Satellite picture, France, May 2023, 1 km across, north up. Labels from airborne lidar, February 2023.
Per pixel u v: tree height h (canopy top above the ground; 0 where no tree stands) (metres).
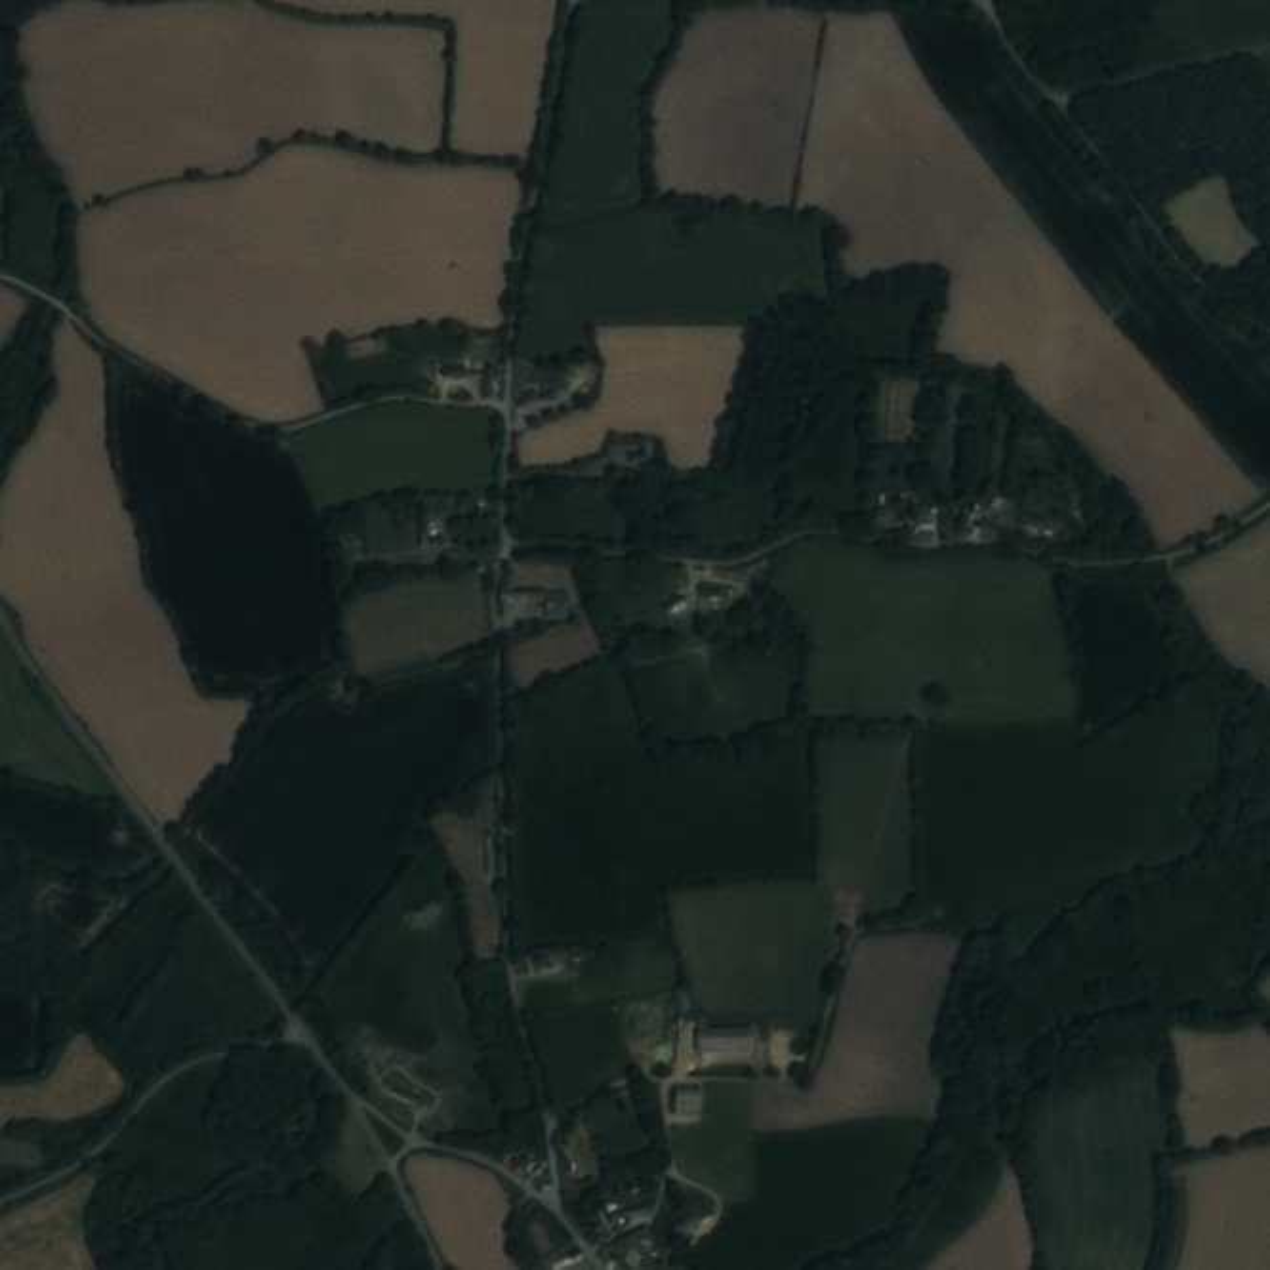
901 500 7
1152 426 0
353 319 0
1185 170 16
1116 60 17
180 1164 0
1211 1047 0
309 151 0
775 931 0
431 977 0
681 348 0
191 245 0
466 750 0
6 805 0
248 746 15
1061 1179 0
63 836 0
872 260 0
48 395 10
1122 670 0
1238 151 12
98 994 0
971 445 17
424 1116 0
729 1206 0
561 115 12
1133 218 17
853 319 0
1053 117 13
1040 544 6
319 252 0
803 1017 0
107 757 6
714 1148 0
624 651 20
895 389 0
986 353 0
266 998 0
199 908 0
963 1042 20
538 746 0
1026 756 0
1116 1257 0
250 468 0
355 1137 0
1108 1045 16
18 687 0
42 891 0
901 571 0
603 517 0
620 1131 0
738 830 0
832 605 0
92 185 0
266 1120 17
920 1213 10
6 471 9
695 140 0
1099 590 0
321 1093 8
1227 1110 0
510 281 11
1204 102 12
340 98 0
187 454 0
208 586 0
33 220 0
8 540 0
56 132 0
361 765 0
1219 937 0
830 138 0
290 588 0
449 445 0
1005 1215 0
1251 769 8
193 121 0
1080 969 0
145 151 0
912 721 8
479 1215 0
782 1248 0
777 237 0
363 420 0
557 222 0
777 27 0
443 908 0
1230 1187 0
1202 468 0
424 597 0
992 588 0
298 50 0
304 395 0
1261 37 0
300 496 0
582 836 0
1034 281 0
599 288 0
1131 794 0
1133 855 0
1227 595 0
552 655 0
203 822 0
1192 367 0
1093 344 0
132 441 0
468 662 6
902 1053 0
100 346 7
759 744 13
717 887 7
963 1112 25
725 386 0
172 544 0
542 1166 0
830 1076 0
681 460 0
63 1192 0
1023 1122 8
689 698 0
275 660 0
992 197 0
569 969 0
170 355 0
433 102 0
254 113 0
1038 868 0
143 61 0
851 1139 0
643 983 0
